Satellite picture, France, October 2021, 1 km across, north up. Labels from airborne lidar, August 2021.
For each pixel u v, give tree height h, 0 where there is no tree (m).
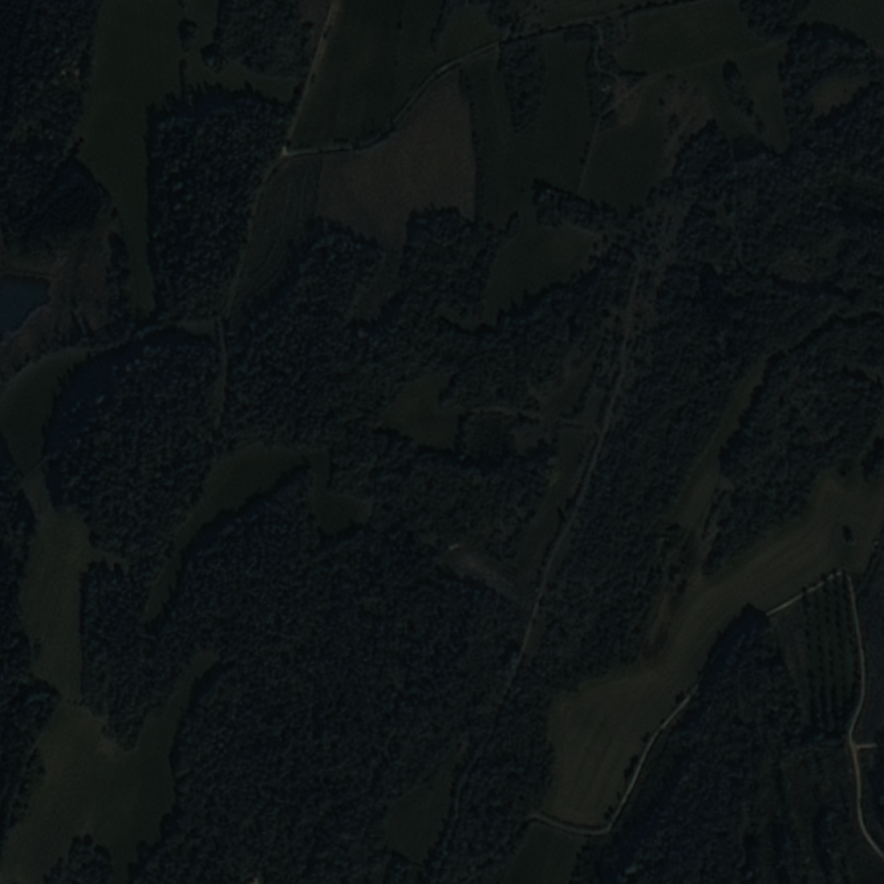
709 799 7
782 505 11
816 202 14
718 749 11
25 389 0
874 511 0
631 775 7
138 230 0
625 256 7
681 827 9
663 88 0
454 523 13
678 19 0
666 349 6
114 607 16
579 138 0
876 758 0
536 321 7
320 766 17
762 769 22
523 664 8
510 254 0
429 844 0
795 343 11
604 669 16
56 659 0
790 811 25
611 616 13
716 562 13
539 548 0
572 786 0
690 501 0
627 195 0
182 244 6
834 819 6
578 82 0
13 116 21
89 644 9
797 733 19
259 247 0
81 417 15
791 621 0
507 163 0
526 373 9
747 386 0
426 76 0
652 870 11
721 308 24
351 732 13
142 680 12
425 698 11
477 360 7
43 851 0
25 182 25
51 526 0
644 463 8
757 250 11
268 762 10
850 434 15
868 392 13
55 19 18
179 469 20
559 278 0
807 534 0
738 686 10
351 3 0
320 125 0
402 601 11
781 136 0
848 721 8
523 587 0
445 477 11
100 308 8
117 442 9
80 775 0
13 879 0
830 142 10
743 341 6
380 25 0
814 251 11
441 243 9
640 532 7
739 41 0
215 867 19
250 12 9
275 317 12
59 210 26
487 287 9
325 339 20
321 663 15
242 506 0
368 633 12
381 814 8
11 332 0
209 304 12
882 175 9
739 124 0
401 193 0
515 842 14
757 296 8
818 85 7
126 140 0
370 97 0
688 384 9
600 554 8
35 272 0
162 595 0
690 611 0
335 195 0
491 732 7
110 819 0
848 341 10
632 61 0
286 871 9
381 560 14
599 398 0
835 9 0
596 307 10
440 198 0
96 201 30
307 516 8
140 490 13
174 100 0
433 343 9
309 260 12
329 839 14
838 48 13
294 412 10
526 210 0
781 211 8
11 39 24
